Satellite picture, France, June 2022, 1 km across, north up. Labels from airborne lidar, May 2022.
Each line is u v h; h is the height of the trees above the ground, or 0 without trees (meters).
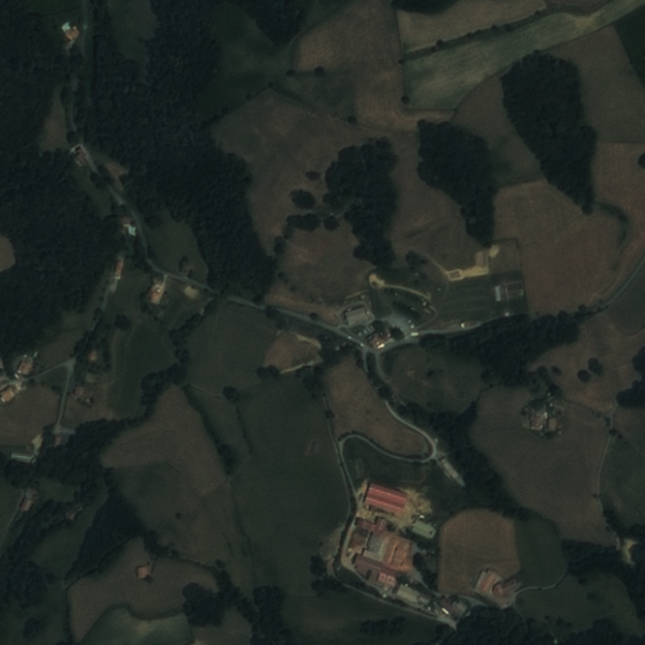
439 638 7
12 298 19
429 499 0
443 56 0
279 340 0
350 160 15
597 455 0
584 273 0
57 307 21
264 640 22
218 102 0
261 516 0
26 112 21
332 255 0
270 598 22
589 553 10
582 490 0
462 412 0
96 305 0
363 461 0
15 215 23
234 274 26
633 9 0
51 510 17
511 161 0
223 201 23
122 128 22
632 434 0
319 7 0
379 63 0
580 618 0
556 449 0
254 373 0
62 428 0
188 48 24
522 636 21
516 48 0
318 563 21
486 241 6
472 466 29
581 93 6
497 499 9
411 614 0
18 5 8
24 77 28
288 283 9
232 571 0
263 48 0
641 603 16
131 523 15
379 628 20
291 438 0
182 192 25
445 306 0
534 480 0
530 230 0
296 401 0
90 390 0
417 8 14
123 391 0
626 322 0
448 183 24
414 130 0
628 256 0
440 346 29
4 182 6
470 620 11
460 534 0
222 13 0
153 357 0
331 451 0
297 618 0
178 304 0
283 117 0
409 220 0
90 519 0
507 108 7
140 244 12
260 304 13
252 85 0
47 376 0
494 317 0
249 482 0
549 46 0
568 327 24
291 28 16
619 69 0
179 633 0
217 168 23
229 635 0
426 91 0
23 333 23
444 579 0
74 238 22
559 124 29
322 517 0
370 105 0
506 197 0
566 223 0
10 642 0
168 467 0
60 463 25
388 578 0
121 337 0
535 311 0
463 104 0
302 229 19
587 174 26
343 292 0
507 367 13
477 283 0
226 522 0
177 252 0
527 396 0
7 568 20
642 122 0
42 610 0
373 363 10
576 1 0
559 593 0
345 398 0
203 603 27
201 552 0
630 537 10
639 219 0
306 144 0
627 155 0
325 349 20
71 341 0
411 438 0
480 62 0
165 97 22
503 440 0
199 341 0
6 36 17
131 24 0
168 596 0
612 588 0
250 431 0
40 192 25
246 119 0
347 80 0
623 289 0
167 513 0
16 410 0
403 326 0
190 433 0
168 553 8
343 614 0
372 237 29
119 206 12
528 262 0
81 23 7
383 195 26
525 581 0
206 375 0
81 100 18
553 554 0
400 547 0
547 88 22
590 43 0
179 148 15
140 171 28
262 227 0
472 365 0
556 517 0
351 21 0
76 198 24
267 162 0
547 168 18
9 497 0
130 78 12
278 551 0
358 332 0
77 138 22
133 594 0
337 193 17
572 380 0
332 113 0
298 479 0
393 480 0
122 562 0
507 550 0
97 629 0
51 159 21
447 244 0
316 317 14
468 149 23
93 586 0
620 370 0
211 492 0
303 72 0
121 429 16
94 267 23
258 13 13
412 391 0
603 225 0
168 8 21
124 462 0
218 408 0
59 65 17
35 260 18
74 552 0
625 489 0
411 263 9
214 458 0
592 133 17
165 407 0
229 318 0
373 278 0
